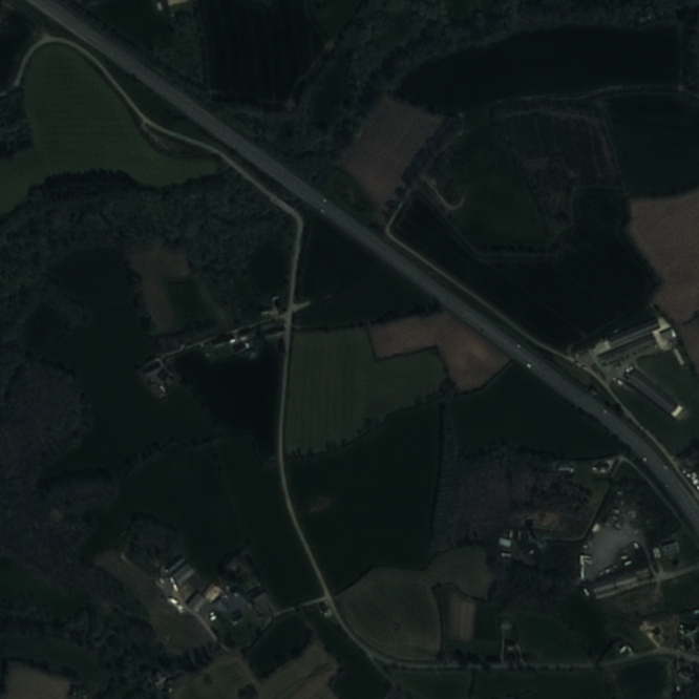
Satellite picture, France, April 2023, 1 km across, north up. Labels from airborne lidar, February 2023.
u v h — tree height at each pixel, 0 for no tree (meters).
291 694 0
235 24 0
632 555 0
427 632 0
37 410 18
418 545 0
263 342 7
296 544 0
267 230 16
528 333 0
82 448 0
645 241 0
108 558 0
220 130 0
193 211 9
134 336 0
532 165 0
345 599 0
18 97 8
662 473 0
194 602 0
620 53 0
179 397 0
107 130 0
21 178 0
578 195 0
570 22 13
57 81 0
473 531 0
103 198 16
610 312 0
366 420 0
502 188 0
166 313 0
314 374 0
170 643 0
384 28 9
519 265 0
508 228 0
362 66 11
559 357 0
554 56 0
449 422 13
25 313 13
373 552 0
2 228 16
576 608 0
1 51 0
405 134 0
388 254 0
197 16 8
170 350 0
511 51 0
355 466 0
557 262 0
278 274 0
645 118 0
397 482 0
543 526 0
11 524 26
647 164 0
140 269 0
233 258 14
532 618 0
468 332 0
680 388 0
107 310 0
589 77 0
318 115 0
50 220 25
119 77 0
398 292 0
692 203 0
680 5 16
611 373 0
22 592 0
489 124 0
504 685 0
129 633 16
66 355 0
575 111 13
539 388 0
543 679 0
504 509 0
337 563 0
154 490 0
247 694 11
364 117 17
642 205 0
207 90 9
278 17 0
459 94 0
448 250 0
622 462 0
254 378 0
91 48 0
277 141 0
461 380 0
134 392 0
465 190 0
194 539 0
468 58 0
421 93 0
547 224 13
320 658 0
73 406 18
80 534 17
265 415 0
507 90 0
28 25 0
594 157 0
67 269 0
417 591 0
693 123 0
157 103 0
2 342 9
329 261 0
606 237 0
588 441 0
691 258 0
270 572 0
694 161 0
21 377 18
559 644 0
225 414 0
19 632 17
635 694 0
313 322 0
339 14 0
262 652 0
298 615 9
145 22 0
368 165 0
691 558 0
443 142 14
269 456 0
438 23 18
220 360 0
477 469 17
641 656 0
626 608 0
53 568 23
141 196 18
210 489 0
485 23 13
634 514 0
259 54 0
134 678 14
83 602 0
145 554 13
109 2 0
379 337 0
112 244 22
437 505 13
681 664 10
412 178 16
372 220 0
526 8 12
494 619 0
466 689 0
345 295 0
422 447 0
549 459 13
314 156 9
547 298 0
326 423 0
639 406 0
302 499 0
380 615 0
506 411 0
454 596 0
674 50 0
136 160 0
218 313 0
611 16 17
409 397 0
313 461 10
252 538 0
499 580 14
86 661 0
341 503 0
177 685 0
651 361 0
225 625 0
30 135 11
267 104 0
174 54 0
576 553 0
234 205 10
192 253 16
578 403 0
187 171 0
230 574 6
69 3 7
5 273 35
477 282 0
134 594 0
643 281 0
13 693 0
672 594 0
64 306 14
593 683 0
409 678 0
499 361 0
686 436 0
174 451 0
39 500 24
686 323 0
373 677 0
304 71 0
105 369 0
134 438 0
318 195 0
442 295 0
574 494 7
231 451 0
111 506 0
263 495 0
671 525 8
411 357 0
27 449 19
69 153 0
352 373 0
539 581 16
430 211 0
